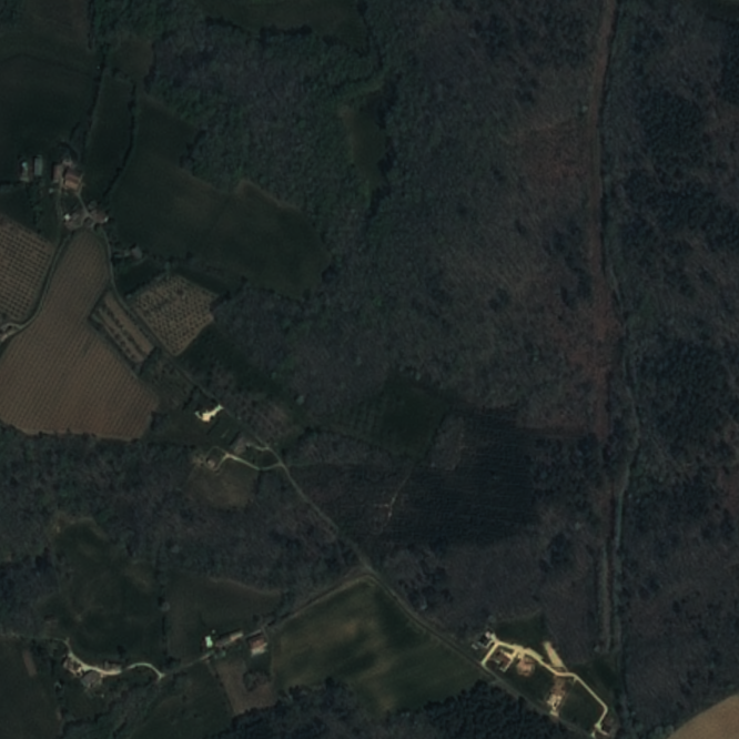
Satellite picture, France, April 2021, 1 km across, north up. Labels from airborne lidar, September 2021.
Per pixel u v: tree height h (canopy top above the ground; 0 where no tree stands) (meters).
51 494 11
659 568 18
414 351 18
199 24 24
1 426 13
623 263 16
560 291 12
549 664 0
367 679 0
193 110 15
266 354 15
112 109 0
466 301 17
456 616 14
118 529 23
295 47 19
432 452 6
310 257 0
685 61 14
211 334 7
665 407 27
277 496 15
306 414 6
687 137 22
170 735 0
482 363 14
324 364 18
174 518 22
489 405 7
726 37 16
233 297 11
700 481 11
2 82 0
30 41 0
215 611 0
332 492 7
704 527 12
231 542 14
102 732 14
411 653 0
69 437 12
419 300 21
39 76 0
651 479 15
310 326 21
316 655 0
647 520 18
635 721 11
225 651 6
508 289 16
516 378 16
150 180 0
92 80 0
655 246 25
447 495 6
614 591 18
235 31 21
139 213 0
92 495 20
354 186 22
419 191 20
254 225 0
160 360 9
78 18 0
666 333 15
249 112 20
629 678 15
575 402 9
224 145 19
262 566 14
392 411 6
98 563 0
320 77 10
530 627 0
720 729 0
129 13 16
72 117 0
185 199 0
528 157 9
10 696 0
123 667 8
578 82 19
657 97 17
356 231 17
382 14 19
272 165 19
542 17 18
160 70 9
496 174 17
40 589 15
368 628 0
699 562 13
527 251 15
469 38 14
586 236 15
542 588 11
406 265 21
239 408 10
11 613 19
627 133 14
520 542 12
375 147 0
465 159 22
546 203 11
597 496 9
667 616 6
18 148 0
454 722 12
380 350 18
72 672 7
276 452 0
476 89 18
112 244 7
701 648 15
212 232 0
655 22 18
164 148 0
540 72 27
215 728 0
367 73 25
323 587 15
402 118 20
